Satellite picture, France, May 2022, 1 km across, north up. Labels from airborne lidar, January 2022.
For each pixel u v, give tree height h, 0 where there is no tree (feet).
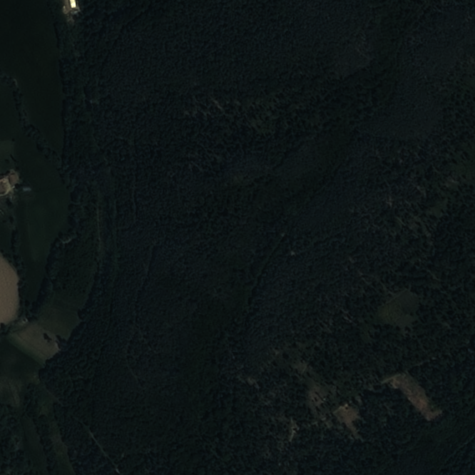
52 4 36
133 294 55
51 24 0
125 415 48
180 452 84
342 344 72
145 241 47
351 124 131
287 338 57
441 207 0
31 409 51
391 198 67
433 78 45
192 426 50
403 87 48
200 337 62
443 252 70
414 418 74
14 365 0
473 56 40
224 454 89
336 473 95
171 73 63
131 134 67
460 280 34
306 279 54
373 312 59
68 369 45
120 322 65
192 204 56
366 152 66
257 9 78
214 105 63
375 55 47
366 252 60
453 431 76
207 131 68
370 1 56
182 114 68
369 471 80
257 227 61
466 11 52
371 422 86
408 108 44
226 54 68
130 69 70
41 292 32
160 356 38
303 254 68
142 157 60
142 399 47
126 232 42
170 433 66
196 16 78
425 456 46
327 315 45
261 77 66
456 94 27
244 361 66
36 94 0
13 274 0
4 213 0
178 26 62
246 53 51
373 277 61
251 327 84
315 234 68
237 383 94
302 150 72
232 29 80
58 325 0
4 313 0
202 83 72
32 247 0
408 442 97
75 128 87
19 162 0
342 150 71
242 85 70
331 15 57
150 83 66
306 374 0
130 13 90
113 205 44
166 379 52
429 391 90
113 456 52
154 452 41
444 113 37
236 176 67
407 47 65
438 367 85
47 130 0
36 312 76
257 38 64
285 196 55
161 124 70
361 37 38
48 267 42
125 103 73
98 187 70
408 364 48
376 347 75
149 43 66
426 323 69
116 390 54
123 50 72
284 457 65
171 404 64
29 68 0
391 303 0
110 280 52
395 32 81
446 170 63
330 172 60
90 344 55
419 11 93
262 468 76
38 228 0
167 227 58
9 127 0
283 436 58
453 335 68
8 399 0
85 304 0
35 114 0
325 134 50
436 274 87
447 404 79
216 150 52
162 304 56
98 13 85
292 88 59
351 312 76
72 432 62
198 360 63
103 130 70
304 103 54
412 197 73
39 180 0
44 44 0
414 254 40
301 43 54
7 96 0
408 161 72
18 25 0
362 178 61
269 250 75
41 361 0
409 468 59
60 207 0
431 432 78
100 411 69
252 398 35
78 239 55
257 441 61
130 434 60
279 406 59
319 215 56
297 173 73
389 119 55
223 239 30
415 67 37
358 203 63
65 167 38
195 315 56
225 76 63
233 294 47
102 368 65
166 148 68
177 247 74
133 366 27
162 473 47
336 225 66
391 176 77
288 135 53
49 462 43
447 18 55
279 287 62
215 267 53
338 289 55
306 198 70
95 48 76
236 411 92
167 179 53
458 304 73
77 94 79
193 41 72
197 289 56
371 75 37
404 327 0
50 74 0
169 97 77
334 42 57
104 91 71
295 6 69
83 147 68
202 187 51
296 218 63
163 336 61
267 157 43
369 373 20
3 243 0
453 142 49
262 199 50
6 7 0
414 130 42
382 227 84
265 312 69
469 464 70
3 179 0
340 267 68
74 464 27
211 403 54
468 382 82
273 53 57
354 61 60
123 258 57
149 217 61
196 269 64
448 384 94
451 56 48
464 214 54
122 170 84
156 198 60
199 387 63
